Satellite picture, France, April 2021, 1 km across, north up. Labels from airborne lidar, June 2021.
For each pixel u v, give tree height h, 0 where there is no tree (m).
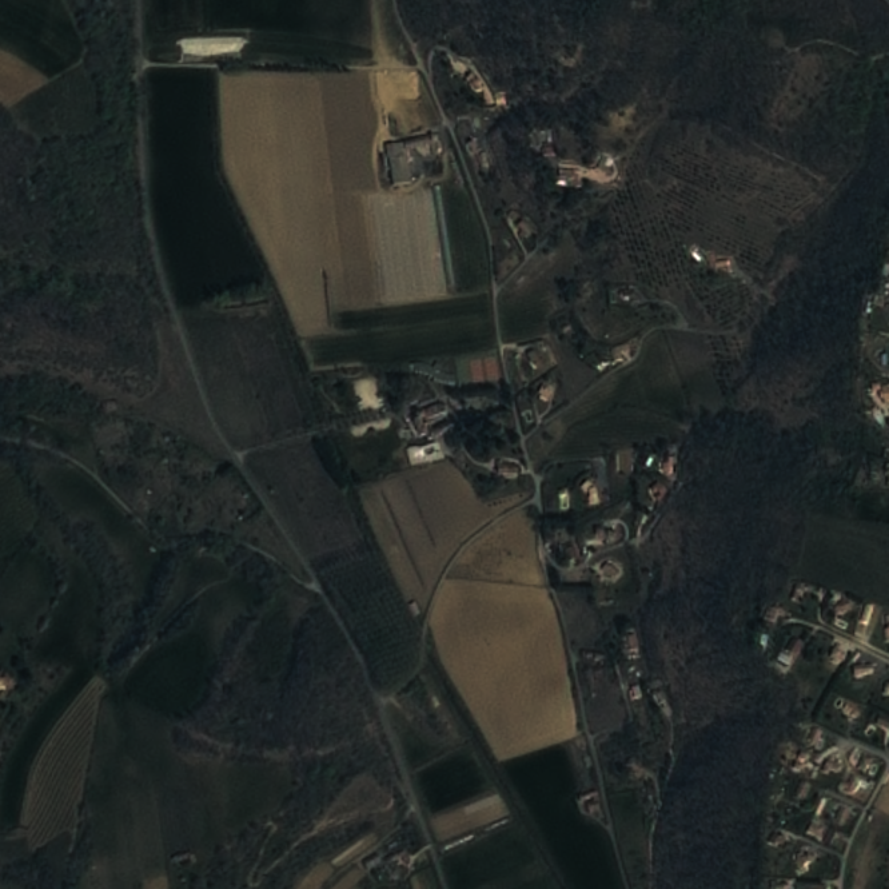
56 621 0
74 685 0
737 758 20
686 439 10
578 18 9
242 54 0
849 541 0
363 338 0
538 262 0
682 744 7
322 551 0
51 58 0
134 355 13
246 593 0
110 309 21
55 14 0
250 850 19
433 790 0
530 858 0
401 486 0
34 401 15
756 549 9
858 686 0
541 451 0
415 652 29
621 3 13
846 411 18
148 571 0
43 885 14
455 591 0
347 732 12
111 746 0
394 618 32
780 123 10
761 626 8
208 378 0
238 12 0
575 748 0
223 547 14
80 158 16
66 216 13
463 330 0
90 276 9
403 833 7
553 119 12
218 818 0
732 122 7
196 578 0
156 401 0
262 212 0
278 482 0
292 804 13
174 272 0
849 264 19
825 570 0
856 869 0
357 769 10
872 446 0
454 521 0
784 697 15
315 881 0
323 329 0
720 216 0
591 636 0
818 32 7
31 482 7
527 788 0
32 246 21
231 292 12
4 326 19
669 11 7
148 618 7
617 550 0
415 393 22
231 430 0
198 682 0
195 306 0
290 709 17
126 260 9
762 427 15
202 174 0
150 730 0
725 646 16
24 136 14
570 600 0
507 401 16
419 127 0
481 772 0
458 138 0
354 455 0
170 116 0
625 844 0
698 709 11
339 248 0
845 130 22
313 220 0
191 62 0
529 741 0
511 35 12
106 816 0
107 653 10
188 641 0
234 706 13
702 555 14
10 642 0
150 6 0
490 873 0
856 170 15
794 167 9
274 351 0
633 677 0
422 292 0
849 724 0
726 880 20
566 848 0
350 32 0
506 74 10
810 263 11
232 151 0
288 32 0
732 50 13
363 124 0
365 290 0
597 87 7
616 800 0
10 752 8
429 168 11
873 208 11
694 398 0
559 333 9
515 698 0
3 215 19
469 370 0
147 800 0
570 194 12
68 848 0
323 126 0
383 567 26
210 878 11
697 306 0
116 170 14
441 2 7
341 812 0
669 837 9
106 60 17
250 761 19
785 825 8
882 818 0
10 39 0
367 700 11
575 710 0
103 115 13
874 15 17
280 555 0
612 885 0
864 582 0
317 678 13
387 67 0
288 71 12
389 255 0
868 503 0
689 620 9
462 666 0
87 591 0
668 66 10
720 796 20
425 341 0
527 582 0
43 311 15
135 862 0
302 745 16
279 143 0
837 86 11
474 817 0
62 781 0
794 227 14
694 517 7
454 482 0
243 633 22
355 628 29
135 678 0
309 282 0
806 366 18
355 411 8
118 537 0
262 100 0
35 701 9
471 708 0
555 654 0
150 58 0
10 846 0
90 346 15
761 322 8
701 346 0
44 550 7
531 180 7
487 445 21
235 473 7
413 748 0
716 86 7
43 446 10
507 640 0
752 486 12
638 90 11
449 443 15
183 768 0
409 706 0
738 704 7
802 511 12
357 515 6
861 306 15
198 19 0
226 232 0
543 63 12
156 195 0
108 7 14
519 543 0
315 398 7
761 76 17
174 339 0
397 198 0
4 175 18
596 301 0
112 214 12
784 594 16
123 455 7
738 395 11
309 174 0
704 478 9
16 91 0
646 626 11
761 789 17
